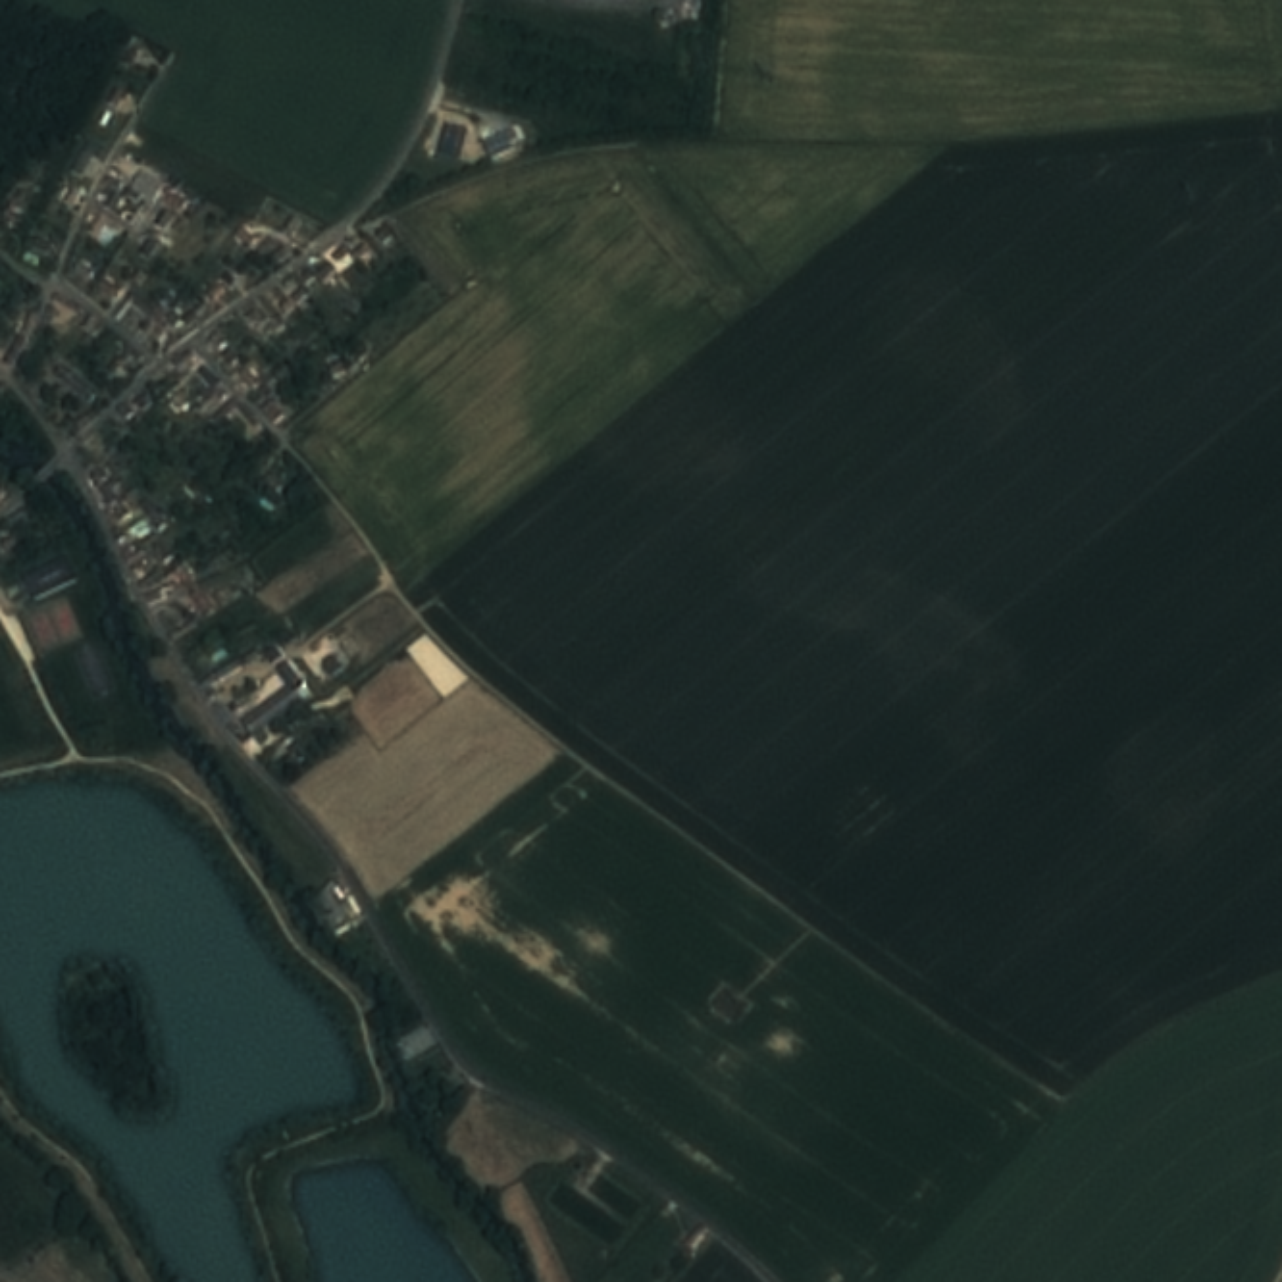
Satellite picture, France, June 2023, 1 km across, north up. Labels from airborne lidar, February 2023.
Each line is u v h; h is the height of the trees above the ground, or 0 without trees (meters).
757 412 0
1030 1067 0
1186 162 0
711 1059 0
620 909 0
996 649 0
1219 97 0
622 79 9
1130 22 0
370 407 0
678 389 0
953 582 0
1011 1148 0
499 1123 0
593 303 0
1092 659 0
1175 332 0
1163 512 0
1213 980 0
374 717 0
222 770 13
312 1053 0
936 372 0
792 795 0
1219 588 0
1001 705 0
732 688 0
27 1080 0
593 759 0
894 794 0
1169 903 0
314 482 12
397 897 0
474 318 0
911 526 0
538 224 0
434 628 0
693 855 0
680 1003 0
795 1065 0
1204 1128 0
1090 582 0
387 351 0
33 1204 0
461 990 0
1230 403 0
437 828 0
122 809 0
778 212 0
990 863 0
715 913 0
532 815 0
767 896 0
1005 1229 0
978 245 0
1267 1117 0
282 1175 0
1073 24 0
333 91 0
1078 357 0
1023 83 0
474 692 0
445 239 0
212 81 0
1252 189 0
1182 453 0
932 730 0
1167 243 0
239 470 13
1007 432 0
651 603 0
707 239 0
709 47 6
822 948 0
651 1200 0
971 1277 0
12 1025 0
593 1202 0
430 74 0
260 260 7
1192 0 0
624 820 0
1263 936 0
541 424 0
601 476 0
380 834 0
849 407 0
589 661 0
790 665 0
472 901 0
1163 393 0
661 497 0
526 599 0
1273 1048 0
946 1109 0
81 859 0
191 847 0
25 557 8
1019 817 0
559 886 0
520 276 0
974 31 0
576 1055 0
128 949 0
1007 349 0
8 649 0
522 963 0
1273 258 0
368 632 0
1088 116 0
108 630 17
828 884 0
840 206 0
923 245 0
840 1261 0
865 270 0
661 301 0
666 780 0
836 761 0
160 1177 0
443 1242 0
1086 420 0
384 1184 0
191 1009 0
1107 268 0
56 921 0
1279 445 0
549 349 0
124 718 0
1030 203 0
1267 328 0
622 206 0
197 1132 0
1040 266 0
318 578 0
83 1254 0
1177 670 0
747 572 0
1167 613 0
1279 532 0
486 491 0
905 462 0
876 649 0
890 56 0
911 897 0
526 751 0
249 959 0
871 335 0
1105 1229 0
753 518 0
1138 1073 0
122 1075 11
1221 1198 0
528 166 0
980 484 0
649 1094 0
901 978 0
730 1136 0
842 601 0
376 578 0
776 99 0
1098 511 0
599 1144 0
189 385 0
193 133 0
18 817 0
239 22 0
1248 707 0
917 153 0
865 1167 0
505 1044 0
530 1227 0
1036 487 0
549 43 6
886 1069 0
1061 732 0
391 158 0
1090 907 0
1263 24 0
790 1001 0
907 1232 0
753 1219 0
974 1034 0
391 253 0
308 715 18
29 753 0
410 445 0
